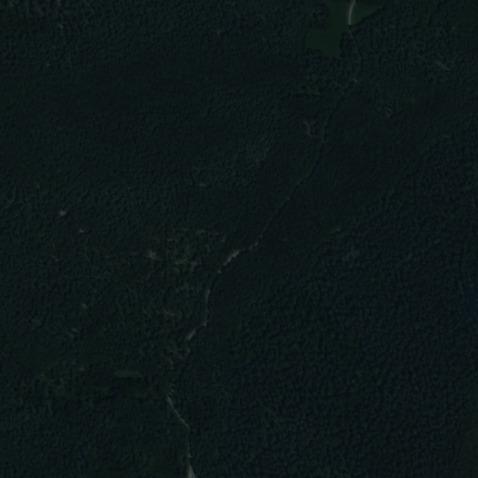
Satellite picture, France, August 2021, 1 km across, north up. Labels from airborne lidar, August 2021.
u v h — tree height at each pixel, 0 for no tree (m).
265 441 21
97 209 29
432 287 28
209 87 22
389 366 18
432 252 31
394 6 19
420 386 31
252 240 17
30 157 21
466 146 29
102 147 25
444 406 35
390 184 19
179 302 28
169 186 6
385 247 32
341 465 22
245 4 27
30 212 20
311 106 30
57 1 17
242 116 27
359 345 8
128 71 24
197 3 24
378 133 26
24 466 26
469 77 14
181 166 23
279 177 30
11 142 18
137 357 14
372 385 20
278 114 27
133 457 27
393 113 10
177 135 25
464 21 19
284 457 15
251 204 24
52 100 18
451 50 18
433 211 23
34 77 27
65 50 19
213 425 15
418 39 26
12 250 25
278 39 21
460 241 22
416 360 30
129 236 20
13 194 23
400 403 26
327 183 23
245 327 21
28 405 25
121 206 26
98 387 23
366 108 29
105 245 22
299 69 25
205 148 16
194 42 28
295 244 21
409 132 28
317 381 24
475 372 15
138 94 24
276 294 22
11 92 26
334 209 25
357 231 8
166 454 19
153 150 26
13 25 10
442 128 32
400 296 14
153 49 25
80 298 23
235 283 25
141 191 25
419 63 25
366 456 14
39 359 22
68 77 15
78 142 24
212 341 27
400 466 27
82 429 26
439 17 20
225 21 27
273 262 20
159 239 9
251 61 23
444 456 17
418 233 24
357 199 22
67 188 29
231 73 25
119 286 25
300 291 18
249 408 26
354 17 0
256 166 31
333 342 16
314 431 23
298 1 15
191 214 24
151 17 25
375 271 30
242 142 25
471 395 26
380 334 31
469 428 11
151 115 23
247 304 23
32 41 27
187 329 25
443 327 30
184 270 20
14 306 31
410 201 21
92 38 24
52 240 32
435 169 28
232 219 20
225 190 20
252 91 27
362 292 32
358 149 29
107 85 25
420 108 19
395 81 23
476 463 14
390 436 23
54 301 29
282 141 28
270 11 28
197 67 24
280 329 11
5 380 21
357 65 22
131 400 27
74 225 20
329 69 26
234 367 11
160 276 16
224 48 24
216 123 24
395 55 24
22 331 22
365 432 19
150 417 25
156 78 23
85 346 24
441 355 19
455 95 21
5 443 25
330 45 0
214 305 18
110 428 28
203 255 20
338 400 18
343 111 27
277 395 33
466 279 25
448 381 28
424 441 17
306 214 22
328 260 29
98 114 22
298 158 29
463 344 27
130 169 26
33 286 29
